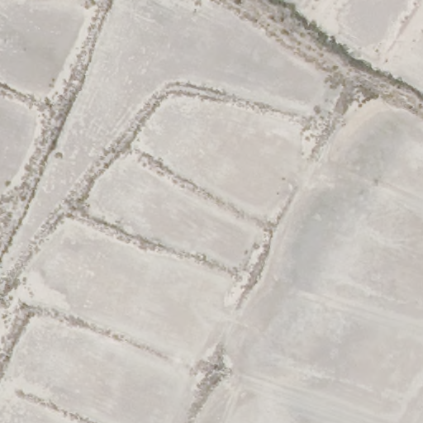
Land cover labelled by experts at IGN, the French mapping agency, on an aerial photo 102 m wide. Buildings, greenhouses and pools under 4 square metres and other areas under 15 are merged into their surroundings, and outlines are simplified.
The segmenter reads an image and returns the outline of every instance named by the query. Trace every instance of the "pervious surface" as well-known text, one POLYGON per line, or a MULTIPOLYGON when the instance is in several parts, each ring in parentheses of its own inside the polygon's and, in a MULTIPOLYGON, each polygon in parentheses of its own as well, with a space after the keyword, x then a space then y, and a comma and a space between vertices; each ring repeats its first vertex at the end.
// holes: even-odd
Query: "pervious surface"
POLYGON ((3 256, 0 264, 0 278, 8 278, 8 273, 20 261, 20 256, 28 253, 28 243, 35 241, 35 236, 45 225, 50 211, 61 207, 63 213, 68 213, 66 198, 73 192, 76 183, 83 182, 84 178, 88 180, 89 169, 96 157, 104 152, 104 149, 111 149, 117 137, 126 131, 127 127, 131 127, 140 109, 147 102, 154 102, 154 96, 162 94, 165 84, 180 81, 208 86, 246 97, 251 101, 264 102, 269 106, 304 112, 304 116, 312 116, 312 112, 319 114, 321 109, 334 111, 342 93, 342 86, 330 89, 329 84, 326 84, 327 73, 316 69, 314 64, 306 63, 304 59, 292 55, 291 51, 284 50, 274 38, 266 35, 263 28, 238 17, 220 0, 114 0, 111 12, 107 13, 101 33, 97 36, 93 63, 86 73, 83 91, 76 97, 63 132, 59 135, 56 147, 63 157, 56 159, 50 155, 28 215, 13 238, 12 248, 3 256))
POLYGON ((251 221, 236 218, 231 211, 223 210, 207 198, 197 197, 190 190, 180 187, 180 183, 173 183, 169 175, 159 175, 157 167, 150 167, 147 159, 142 157, 142 154, 147 152, 154 159, 162 160, 173 172, 193 180, 198 187, 207 188, 225 202, 235 203, 240 210, 259 216, 263 220, 273 221, 281 208, 289 208, 281 225, 276 226, 274 230, 273 243, 268 259, 264 263, 261 278, 246 296, 241 309, 236 309, 236 301, 248 284, 250 274, 240 273, 241 279, 236 281, 228 274, 197 263, 195 259, 178 258, 177 254, 160 250, 140 250, 139 241, 127 243, 117 240, 117 233, 114 230, 66 218, 63 223, 56 226, 55 231, 46 236, 40 251, 33 254, 33 258, 21 271, 20 278, 26 278, 26 284, 21 284, 12 291, 30 306, 56 307, 66 316, 78 317, 88 324, 114 330, 116 334, 129 335, 140 344, 152 345, 155 349, 167 352, 169 360, 165 362, 144 350, 134 349, 131 345, 109 339, 106 335, 96 334, 93 330, 56 321, 53 317, 31 317, 13 349, 10 364, 5 368, 0 380, 0 423, 79 423, 68 416, 63 416, 63 413, 18 397, 17 390, 33 393, 36 397, 48 398, 59 408, 79 413, 97 423, 185 423, 188 411, 193 403, 197 402, 198 383, 205 377, 203 372, 197 375, 190 375, 188 372, 198 360, 210 359, 220 344, 225 345, 223 364, 225 367, 233 368, 233 375, 223 378, 211 390, 202 410, 193 418, 193 423, 423 423, 423 119, 408 109, 393 106, 383 99, 372 99, 364 104, 364 107, 357 106, 357 102, 354 102, 345 112, 347 126, 332 132, 326 144, 322 145, 316 162, 311 162, 309 155, 316 142, 302 140, 299 135, 301 124, 292 122, 291 117, 251 107, 240 107, 235 102, 202 101, 198 97, 187 96, 167 97, 140 129, 137 139, 132 142, 131 152, 122 154, 101 177, 96 178, 89 193, 89 213, 114 225, 121 225, 132 235, 142 235, 147 240, 160 238, 164 245, 188 253, 207 254, 208 259, 215 259, 230 268, 243 264, 243 254, 253 243, 264 245, 268 241, 268 233, 263 231, 263 228, 259 228, 251 221))
POLYGON ((86 7, 81 0, 0 0, 0 83, 8 84, 20 93, 31 94, 43 102, 50 99, 51 102, 58 102, 96 12, 93 3, 86 7))
POLYGON ((304 15, 307 20, 314 21, 327 35, 334 36, 335 41, 344 45, 350 55, 362 59, 372 68, 392 74, 393 78, 402 79, 423 93, 423 0, 299 0, 296 3, 297 12, 304 15))
POLYGON ((13 188, 21 185, 26 165, 35 152, 35 142, 41 137, 41 119, 46 121, 50 117, 50 111, 40 111, 38 107, 28 106, 17 97, 0 94, 0 198, 7 197, 13 192, 13 188))

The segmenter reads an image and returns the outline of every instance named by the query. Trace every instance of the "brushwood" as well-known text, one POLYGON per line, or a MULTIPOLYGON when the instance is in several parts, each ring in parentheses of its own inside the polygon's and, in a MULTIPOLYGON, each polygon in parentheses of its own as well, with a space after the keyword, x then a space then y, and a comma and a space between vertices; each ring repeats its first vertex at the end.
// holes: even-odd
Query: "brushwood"
POLYGON ((81 0, 86 7, 93 3, 96 12, 58 102, 51 102, 50 99, 43 102, 31 94, 20 93, 8 84, 0 83, 0 94, 17 97, 28 106, 38 107, 40 111, 50 111, 50 117, 46 121, 41 119, 41 137, 35 142, 35 152, 26 165, 21 185, 13 188, 13 192, 7 197, 0 198, 0 264, 3 256, 12 248, 13 238, 28 215, 50 155, 56 159, 63 157, 56 147, 59 135, 63 132, 76 97, 83 91, 86 73, 93 63, 97 36, 101 33, 107 13, 111 12, 114 0, 81 0))
POLYGON ((314 21, 307 20, 304 15, 297 12, 296 3, 299 0, 258 0, 266 8, 269 18, 281 23, 283 35, 297 33, 304 38, 309 36, 317 45, 324 46, 330 53, 340 56, 349 66, 383 79, 392 86, 405 89, 423 101, 423 93, 402 79, 393 78, 392 74, 372 68, 362 59, 350 55, 344 45, 335 41, 334 36, 327 35, 314 21))
POLYGON ((79 413, 59 408, 48 398, 36 397, 33 393, 17 390, 18 397, 63 413, 63 416, 68 416, 79 423, 97 423, 79 413))
POLYGON ((142 154, 142 157, 147 159, 150 167, 157 167, 159 175, 169 175, 173 183, 180 183, 180 187, 190 190, 197 197, 207 198, 223 210, 231 211, 236 218, 251 221, 259 228, 263 228, 263 231, 268 233, 268 241, 264 245, 253 243, 243 254, 243 264, 230 268, 215 259, 208 259, 207 254, 188 253, 164 245, 160 238, 147 240, 142 235, 132 235, 121 225, 114 225, 89 213, 89 193, 96 178, 101 177, 122 154, 131 152, 132 142, 137 139, 140 129, 167 97, 187 96, 198 97, 202 101, 235 102, 240 107, 251 107, 291 117, 292 122, 301 124, 299 135, 302 140, 316 142, 309 155, 311 162, 316 162, 322 145, 326 144, 332 132, 347 126, 345 112, 354 102, 352 94, 342 93, 334 111, 321 109, 319 114, 312 112, 312 116, 304 116, 304 112, 269 106, 264 102, 251 101, 246 97, 208 86, 180 81, 165 84, 162 94, 154 96, 154 102, 147 102, 140 109, 131 127, 127 127, 126 131, 117 137, 111 149, 104 149, 104 152, 96 157, 89 169, 88 180, 84 178, 83 182, 76 183, 73 192, 66 198, 68 213, 63 213, 61 207, 50 211, 45 225, 35 236, 35 241, 28 243, 28 253, 20 256, 20 261, 8 273, 8 278, 0 278, 0 380, 5 368, 10 364, 13 349, 31 317, 53 317, 56 321, 93 330, 96 334, 106 335, 109 339, 131 345, 134 349, 144 350, 165 362, 169 360, 167 352, 155 349, 152 345, 140 344, 129 335, 116 334, 114 330, 88 324, 78 317, 66 316, 56 307, 30 306, 12 291, 21 284, 26 284, 26 278, 20 278, 21 271, 33 258, 33 254, 40 251, 46 236, 55 231, 56 226, 63 223, 66 218, 114 230, 117 233, 117 240, 127 243, 139 241, 140 250, 160 250, 177 254, 178 258, 195 259, 197 263, 228 274, 236 281, 241 279, 240 273, 250 274, 248 284, 236 301, 236 309, 241 309, 246 296, 261 278, 264 263, 268 259, 273 243, 274 230, 276 226, 281 225, 289 208, 281 208, 273 221, 263 220, 259 216, 240 210, 235 203, 225 202, 207 188, 198 187, 193 180, 173 172, 162 160, 154 159, 147 152, 142 154))
POLYGON ((188 372, 190 375, 197 375, 203 372, 205 377, 198 383, 197 402, 193 403, 188 411, 185 423, 193 423, 193 418, 202 410, 211 390, 223 378, 233 375, 233 368, 225 367, 223 364, 225 345, 220 344, 210 359, 198 360, 188 372))

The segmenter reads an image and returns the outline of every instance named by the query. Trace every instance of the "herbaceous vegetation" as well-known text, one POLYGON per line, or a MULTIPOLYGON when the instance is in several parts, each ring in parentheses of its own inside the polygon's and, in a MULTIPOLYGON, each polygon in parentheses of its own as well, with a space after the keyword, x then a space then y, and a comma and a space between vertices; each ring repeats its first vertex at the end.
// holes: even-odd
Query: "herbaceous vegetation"
POLYGON ((423 119, 423 101, 405 89, 392 86, 383 79, 349 66, 340 56, 330 53, 324 46, 317 45, 309 36, 304 38, 297 33, 283 35, 281 23, 269 18, 266 8, 258 0, 220 0, 238 17, 263 28, 266 35, 274 38, 284 50, 291 51, 292 55, 304 59, 306 63, 314 64, 316 69, 327 73, 326 84, 329 84, 330 89, 342 86, 342 93, 352 94, 354 102, 357 102, 357 106, 364 107, 364 104, 372 99, 383 99, 393 106, 408 109, 423 119))

